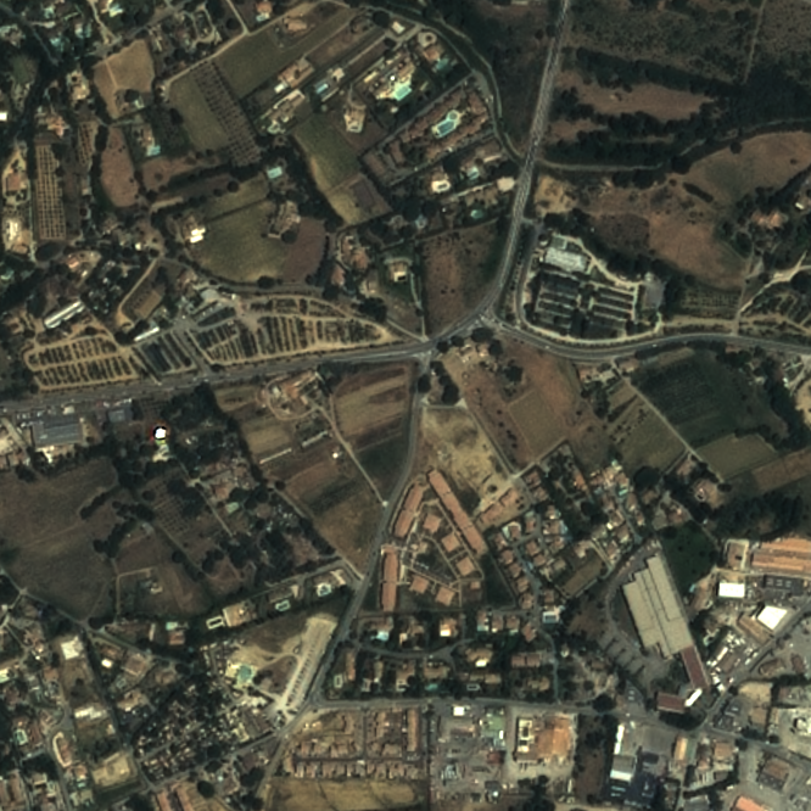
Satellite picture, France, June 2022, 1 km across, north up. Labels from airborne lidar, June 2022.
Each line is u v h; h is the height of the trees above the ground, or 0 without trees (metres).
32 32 9
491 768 0
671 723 12
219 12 12
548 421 0
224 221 0
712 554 8
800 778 0
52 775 9
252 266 0
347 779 0
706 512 12
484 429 0
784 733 0
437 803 0
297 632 0
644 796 0
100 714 0
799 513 15
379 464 0
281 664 0
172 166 0
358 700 8
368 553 0
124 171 0
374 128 0
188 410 8
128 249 11
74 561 0
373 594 0
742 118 8
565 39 0
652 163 13
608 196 0
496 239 0
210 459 11
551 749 0
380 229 8
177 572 0
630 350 0
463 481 0
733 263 0
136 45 0
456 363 0
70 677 0
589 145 17
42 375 8
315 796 0
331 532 0
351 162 0
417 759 0
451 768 0
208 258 0
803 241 6
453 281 0
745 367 12
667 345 6
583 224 9
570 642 9
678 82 12
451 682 15
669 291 10
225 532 9
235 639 0
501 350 9
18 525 0
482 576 0
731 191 0
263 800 10
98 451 15
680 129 14
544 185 0
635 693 0
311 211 13
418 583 0
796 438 11
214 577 0
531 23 0
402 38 0
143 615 6
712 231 0
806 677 6
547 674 9
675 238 0
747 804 0
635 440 0
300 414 0
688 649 0
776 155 0
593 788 0
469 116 10
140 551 0
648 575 0
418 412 0
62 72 14
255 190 0
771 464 0
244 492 11
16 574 0
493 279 0
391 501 0
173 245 10
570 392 0
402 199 12
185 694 10
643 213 0
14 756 7
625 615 0
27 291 8
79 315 9
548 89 0
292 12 0
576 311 7
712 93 17
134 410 11
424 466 0
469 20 13
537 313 7
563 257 0
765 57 6
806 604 0
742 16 11
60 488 0
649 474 13
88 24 7
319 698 0
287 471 0
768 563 0
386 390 0
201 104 0
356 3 10
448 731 0
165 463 12
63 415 0
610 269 11
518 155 6
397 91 0
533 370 0
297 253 0
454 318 0
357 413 0
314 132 0
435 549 0
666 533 11
